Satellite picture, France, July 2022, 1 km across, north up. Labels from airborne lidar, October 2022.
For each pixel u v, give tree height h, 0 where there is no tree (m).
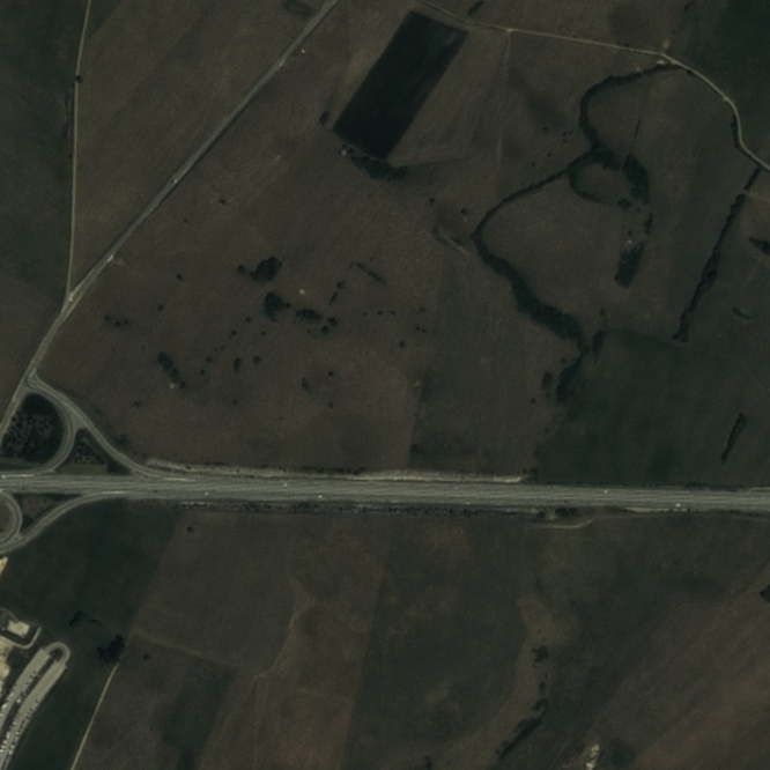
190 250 0
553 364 0
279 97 0
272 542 0
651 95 0
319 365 0
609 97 0
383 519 0
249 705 0
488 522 0
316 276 0
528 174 0
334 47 0
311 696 0
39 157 0
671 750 0
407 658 0
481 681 0
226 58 0
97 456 8
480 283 0
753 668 0
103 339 0
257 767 0
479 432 0
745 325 0
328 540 0
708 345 0
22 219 0
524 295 7
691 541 0
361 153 0
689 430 0
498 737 0
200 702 0
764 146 0
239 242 0
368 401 0
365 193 0
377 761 0
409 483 0
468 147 0
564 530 0
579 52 0
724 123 0
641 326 0
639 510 0
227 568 0
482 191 0
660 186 0
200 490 0
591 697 0
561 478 0
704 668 0
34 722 0
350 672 0
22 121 0
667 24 0
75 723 0
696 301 6
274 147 0
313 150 0
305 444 0
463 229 0
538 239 0
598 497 0
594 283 0
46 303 0
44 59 0
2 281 0
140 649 0
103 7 0
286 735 0
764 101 0
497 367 0
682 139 0
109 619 0
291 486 0
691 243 0
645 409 0
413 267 0
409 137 0
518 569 0
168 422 0
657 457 0
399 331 0
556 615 0
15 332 0
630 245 0
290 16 0
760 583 0
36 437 7
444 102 0
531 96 0
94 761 0
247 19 0
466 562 0
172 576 0
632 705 0
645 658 0
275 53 0
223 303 0
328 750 0
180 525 0
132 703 0
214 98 0
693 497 0
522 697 0
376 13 0
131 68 0
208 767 0
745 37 0
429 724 0
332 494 0
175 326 0
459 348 0
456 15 0
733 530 0
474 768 0
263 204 0
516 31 0
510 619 0
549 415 0
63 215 0
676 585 0
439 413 0
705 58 0
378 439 0
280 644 0
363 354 0
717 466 0
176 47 0
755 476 0
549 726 0
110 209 0
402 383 0
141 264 0
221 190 0
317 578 0
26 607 0
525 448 0
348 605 0
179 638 0
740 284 0
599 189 0
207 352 0
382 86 0
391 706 0
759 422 0
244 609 0
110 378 0
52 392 0
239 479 0
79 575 0
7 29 0
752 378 0
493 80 0
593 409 0
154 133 0
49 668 0
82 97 0
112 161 0
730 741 0
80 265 0
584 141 0
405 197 0
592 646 0
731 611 0
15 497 0
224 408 0
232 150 0
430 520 0
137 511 0
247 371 0
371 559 0
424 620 0
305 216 0
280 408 0
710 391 0
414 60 0
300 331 0
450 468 0
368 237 0
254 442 0
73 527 0
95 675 0
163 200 0
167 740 0
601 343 7
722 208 0
